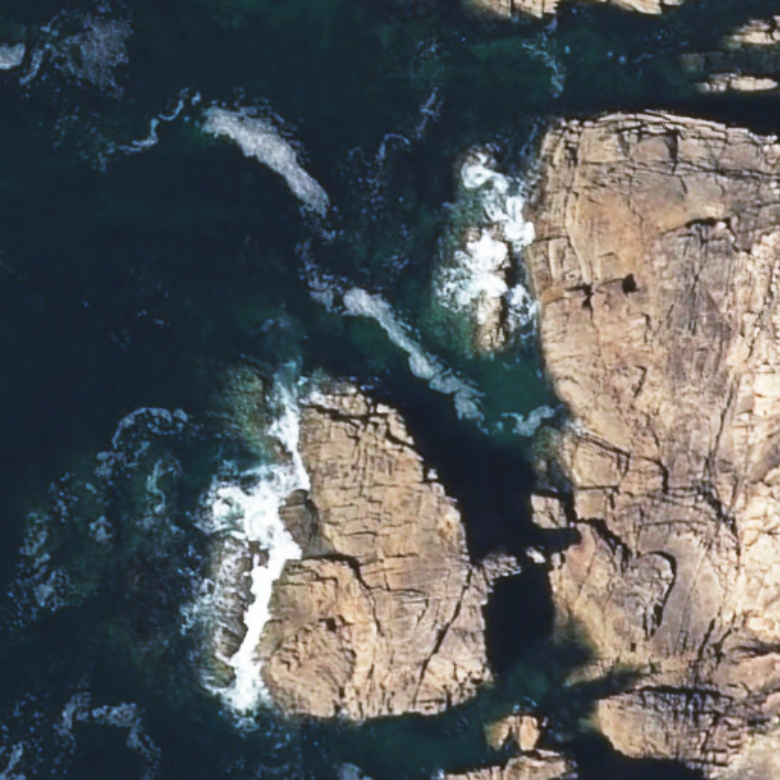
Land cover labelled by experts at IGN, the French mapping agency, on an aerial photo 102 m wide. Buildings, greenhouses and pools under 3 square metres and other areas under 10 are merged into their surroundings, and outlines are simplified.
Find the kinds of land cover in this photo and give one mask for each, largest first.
<instances>
[{"label":"water","instance_id":"1","mask_svg":"<svg viewBox=\"0 0 780 780\"><path fill-rule=\"evenodd\" d=\"M780 15V0H561L555 12L545 15L509 6L506 15H497L478 0H0V780H439V774L503 768L509 759H518V737H506V743L500 746L491 743V728L506 716H533L536 740L545 750L561 753L567 768L561 777L548 780H710L704 771L689 768L686 759L625 756L597 728V704L612 695H625L640 679V670L615 664L600 679L588 676L585 667L594 661L597 649L588 640L585 625L573 615L570 603L555 606L548 579L555 551L579 545L582 536L579 530L539 527L533 521L530 506L533 497H551L561 503L564 518L576 512L573 478L551 445V436L564 433V427L573 420V408L567 399H561L555 375L545 366L542 329L533 323H524L518 329L509 326V299L500 296L497 308V329L503 335V347L497 350H481L478 317L466 314L463 308H442L436 296V286H442L439 241L448 232H454L448 204L457 201V192L463 189V168L478 152L488 155V168L500 171L503 177H521L536 161L542 137L558 128L561 119L594 122L606 113L664 110L676 116L722 122L731 128H746L756 134H771L780 140V43L737 46L734 34L750 27L753 21ZM722 73L774 79V88L704 91V82ZM286 360H299L302 375L323 372L338 384H353L366 399L396 408L399 420L414 439L420 466L439 472V484L460 512L469 564L481 567L484 561L500 555L515 558L518 573L494 579V588L484 603V661L491 667V679H475V695L469 701L454 704L436 716L399 713L353 722L347 716H283L268 704L235 710L219 695L204 692L201 670L213 661V634L204 625H195L186 634H180V609L201 597V579H207L222 561L225 536L210 527V488L235 484L241 491H253L259 484L256 451L232 427L235 393L229 372L253 369L262 387L274 393L277 366Z\"/></svg>","mask_w":780,"mask_h":780},{"label":"bare soil","instance_id":"2","mask_svg":"<svg viewBox=\"0 0 780 780\"><path fill-rule=\"evenodd\" d=\"M497 15H506L509 6L545 15L555 12L561 0H478ZM737 46L780 43V15L753 21L750 27L734 34ZM774 88V79L722 73L704 82V91ZM454 232H448L439 241L442 286H436V296L442 308H463L466 314L478 317L481 350H497L503 347V335L497 329V308L500 296L509 299V326L518 329L524 323H533L542 329L545 366L555 375L561 399H567L573 408V420L564 427V433L551 436V445L573 478L576 512L564 518L561 503L551 497H533L530 506L533 521L539 527L579 530L582 536L579 545L555 551L548 579L555 606L570 603L573 615L585 625L588 640L597 649L594 661L585 667L588 676L600 679L615 664L640 670V679L625 695H612L597 704V728L625 756L686 759L689 768L704 771L710 780H780V140L771 134H756L746 128H731L722 122L676 116L664 110L606 113L594 122L561 119L558 128L542 137L536 161L521 177H503L500 171L488 168V155L478 152L463 168V189L457 192V201L448 204ZM235 393L232 427L256 451L259 484L253 491H241L235 484L210 488V527L225 536L222 561L207 579H201V597L180 609V634H186L195 625H204L213 634V661L201 670L204 692L219 695L235 710L268 704L283 716H347L353 722L399 713L436 716L454 704L469 701L475 695V679H491V667L484 661V603L494 588V579L518 573L515 558L500 555L484 561L481 567L469 564L460 512L439 484V472L420 466L414 439L399 420L396 408L366 399L353 384H338L323 372L302 375L299 360H286L277 366L274 393L262 387L253 369L229 372ZM506 737H518V759H509L503 768L439 774V780H548L561 777L567 768L561 753L545 750L536 740L533 716H506L491 728V743L500 746L506 743Z\"/></svg>","mask_w":780,"mask_h":780}]
</instances>
